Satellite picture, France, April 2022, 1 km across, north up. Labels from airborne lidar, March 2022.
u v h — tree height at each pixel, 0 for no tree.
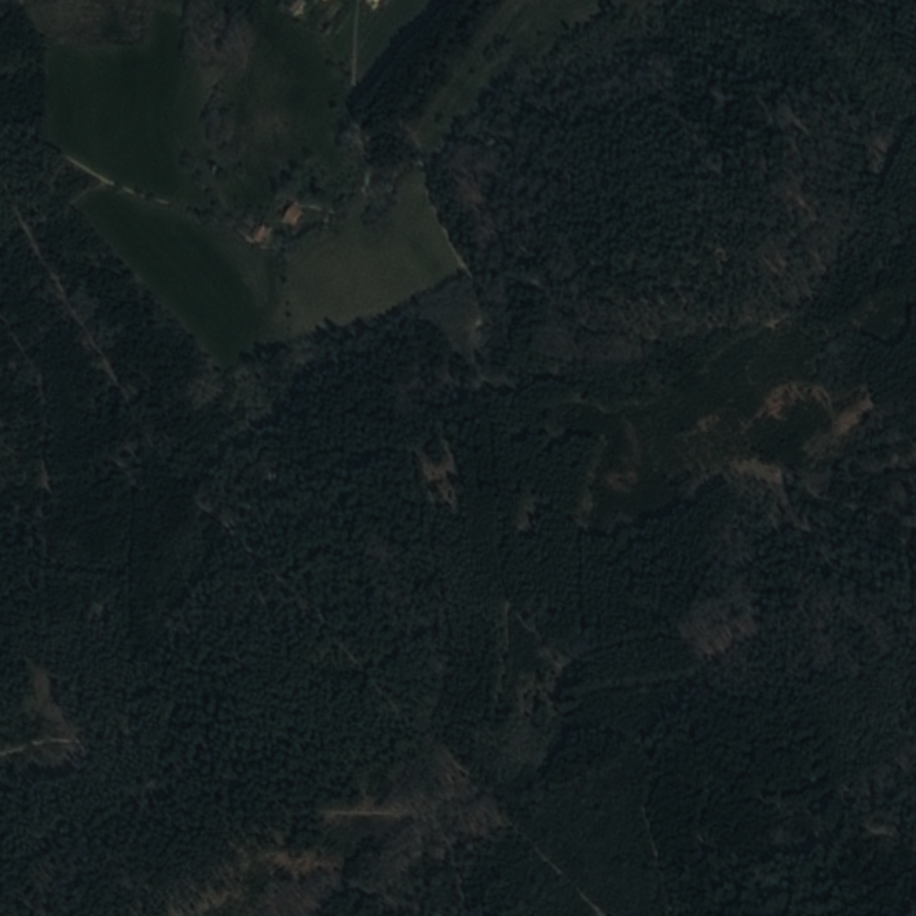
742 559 23
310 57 0
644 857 9
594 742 25
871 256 26
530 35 0
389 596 24
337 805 27
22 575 27
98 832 26
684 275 9
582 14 0
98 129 0
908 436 20
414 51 24
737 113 14
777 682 21
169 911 29
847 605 22
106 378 14
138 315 11
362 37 0
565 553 24
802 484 29
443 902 15
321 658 21
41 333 16
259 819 26
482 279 23
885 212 30
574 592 27
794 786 24
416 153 8
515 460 29
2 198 11
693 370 22
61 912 29
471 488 32
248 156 0
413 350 27
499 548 24
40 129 23
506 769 14
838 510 7
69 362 20
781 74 23
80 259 11
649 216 22
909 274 29
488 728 23
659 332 25
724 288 25
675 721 25
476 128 18
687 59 16
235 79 23
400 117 20
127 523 18
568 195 26
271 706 24
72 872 31
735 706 27
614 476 8
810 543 16
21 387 6
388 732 24
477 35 8
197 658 22
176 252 0
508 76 0
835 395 17
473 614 23
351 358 19
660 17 12
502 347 19
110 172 0
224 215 15
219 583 29
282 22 0
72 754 0
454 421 26
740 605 30
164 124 0
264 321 0
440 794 23
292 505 26
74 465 19
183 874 26
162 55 0
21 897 30
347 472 10
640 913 7
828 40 15
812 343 9
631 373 23
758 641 14
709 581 25
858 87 10
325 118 0
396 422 21
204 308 0
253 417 10
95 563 11
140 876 29
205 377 11
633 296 12
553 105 22
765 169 15
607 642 31
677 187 26
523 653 9
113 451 18
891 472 11
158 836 30
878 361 26
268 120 0
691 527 33
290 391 6
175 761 27
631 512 7
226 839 29
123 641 25
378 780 9
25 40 13
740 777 23
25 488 9
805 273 25
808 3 20
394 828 0
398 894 16
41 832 26
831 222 23
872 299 20
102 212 0
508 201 24
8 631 26
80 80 0
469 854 24
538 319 29
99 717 22
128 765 24
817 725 26
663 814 16
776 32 25
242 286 0
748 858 16
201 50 22
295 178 12
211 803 29
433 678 30
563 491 25
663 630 34
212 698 10
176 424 11
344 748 18
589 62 14
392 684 19
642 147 25
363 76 0
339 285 0
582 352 25
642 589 27
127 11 0
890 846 8
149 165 0
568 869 7
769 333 5
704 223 26
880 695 19
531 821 11
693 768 20
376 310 0
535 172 25
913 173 29
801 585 23
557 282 28
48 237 9
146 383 7
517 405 25
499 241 23
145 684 24
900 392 27
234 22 25
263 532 25
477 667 24
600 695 8
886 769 25
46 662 24
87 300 21
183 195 0
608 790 9
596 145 24
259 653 19
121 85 0
